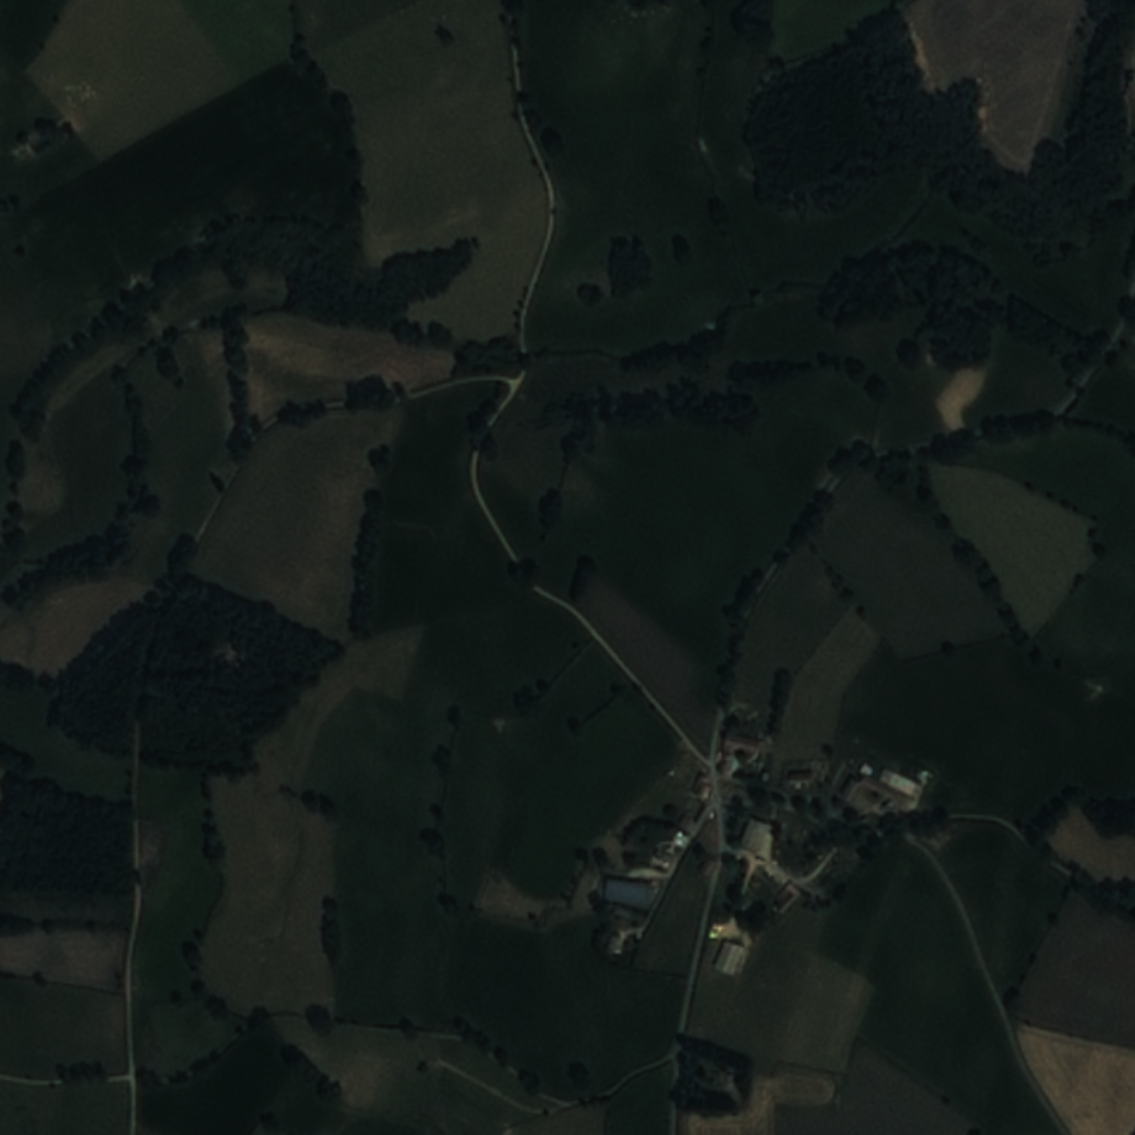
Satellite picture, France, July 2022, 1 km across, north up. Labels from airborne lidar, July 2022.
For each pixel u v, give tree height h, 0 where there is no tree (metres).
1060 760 0
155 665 8
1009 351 0
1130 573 0
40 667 0
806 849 6
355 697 0
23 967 0
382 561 0
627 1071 0
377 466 20
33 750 0
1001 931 0
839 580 9
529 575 17
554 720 0
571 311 0
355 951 0
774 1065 0
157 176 0
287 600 0
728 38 0
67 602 0
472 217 0
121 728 16
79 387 0
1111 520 0
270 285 0
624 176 0
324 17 0
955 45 0
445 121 0
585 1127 0
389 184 0
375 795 0
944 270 26
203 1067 15
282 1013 0
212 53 0
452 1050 0
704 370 17
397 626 0
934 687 0
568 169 0
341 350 0
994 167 14
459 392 0
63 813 20
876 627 0
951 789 0
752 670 0
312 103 0
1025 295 0
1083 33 13
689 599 0
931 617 0
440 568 0
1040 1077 0
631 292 11
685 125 0
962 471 0
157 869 0
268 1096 0
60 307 0
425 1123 0
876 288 22
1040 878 0
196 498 0
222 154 0
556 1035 0
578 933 0
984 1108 0
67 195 0
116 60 0
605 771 0
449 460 0
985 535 0
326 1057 0
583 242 0
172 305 0
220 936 0
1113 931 0
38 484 0
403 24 0
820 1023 0
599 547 0
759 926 15
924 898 0
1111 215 16
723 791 0
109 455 0
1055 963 0
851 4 0
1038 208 11
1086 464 0
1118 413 0
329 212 0
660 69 0
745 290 0
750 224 0
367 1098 0
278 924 0
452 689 0
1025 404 0
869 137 8
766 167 10
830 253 0
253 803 0
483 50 0
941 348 19
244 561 0
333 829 0
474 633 0
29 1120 0
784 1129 0
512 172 0
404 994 0
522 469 0
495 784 0
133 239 0
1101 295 0
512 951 0
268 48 0
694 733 0
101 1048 0
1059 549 0
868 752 0
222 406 0
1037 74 0
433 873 0
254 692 21
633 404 21
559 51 0
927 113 23
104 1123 0
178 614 19
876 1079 0
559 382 0
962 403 0
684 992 0
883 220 0
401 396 16
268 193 0
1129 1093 0
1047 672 0
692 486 0
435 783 0
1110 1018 0
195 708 24
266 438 0
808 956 0
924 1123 0
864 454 15
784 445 0
